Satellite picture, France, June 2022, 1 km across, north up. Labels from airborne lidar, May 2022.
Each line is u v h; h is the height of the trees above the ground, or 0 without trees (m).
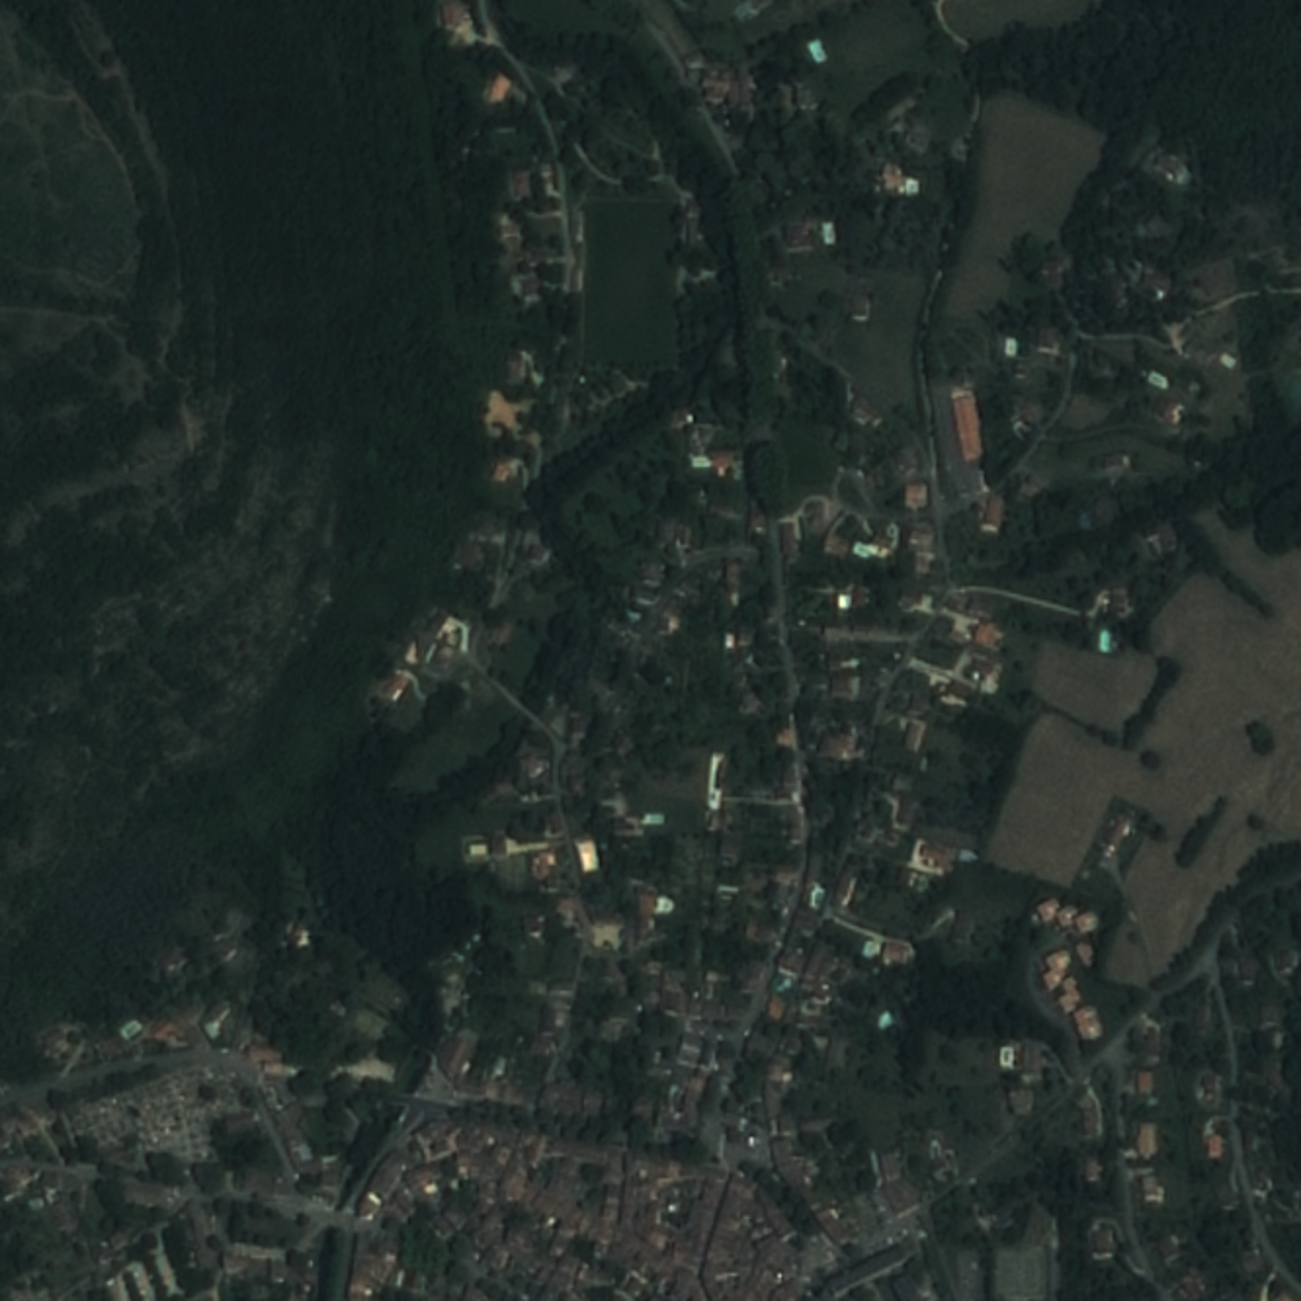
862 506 0
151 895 20
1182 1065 10
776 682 13
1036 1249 0
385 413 12
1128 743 9
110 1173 12
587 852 0
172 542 8
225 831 6
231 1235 14
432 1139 0
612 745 7
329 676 12
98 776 8
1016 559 8
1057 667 0
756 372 26
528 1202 0
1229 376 0
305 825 13
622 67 12
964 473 0
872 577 10
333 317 13
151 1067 9
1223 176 8
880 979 7
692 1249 0
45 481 6
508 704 0
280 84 12
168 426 13
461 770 0
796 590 8
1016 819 0
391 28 14
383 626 9
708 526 14
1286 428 20
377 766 28
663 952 10
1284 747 0
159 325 8
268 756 9
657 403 20
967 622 0
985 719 13
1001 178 0
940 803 18
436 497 6
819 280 0
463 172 12
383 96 10
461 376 9
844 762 9
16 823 14
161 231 13
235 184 12
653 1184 0
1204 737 0
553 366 6
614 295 0
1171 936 0
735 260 28
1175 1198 0
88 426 8
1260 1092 6
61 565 11
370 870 33
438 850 0
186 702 10
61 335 0
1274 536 21
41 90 0
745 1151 0
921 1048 15
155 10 8
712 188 17
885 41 0
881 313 0
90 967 7
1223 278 0
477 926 28
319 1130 0
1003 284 0
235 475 6
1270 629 0
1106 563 7
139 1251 11
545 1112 13
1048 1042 21
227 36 10
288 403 8
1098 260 11
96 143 0
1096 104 13
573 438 0
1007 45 13
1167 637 0
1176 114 12
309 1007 12
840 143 15
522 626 7
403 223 14
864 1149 9
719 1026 9
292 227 14
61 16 10
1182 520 28
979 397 7
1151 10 26
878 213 9
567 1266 0
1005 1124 0
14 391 9
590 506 12
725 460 0
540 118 7
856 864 11
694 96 20
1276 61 11
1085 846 0
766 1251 0
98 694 7
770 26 0
